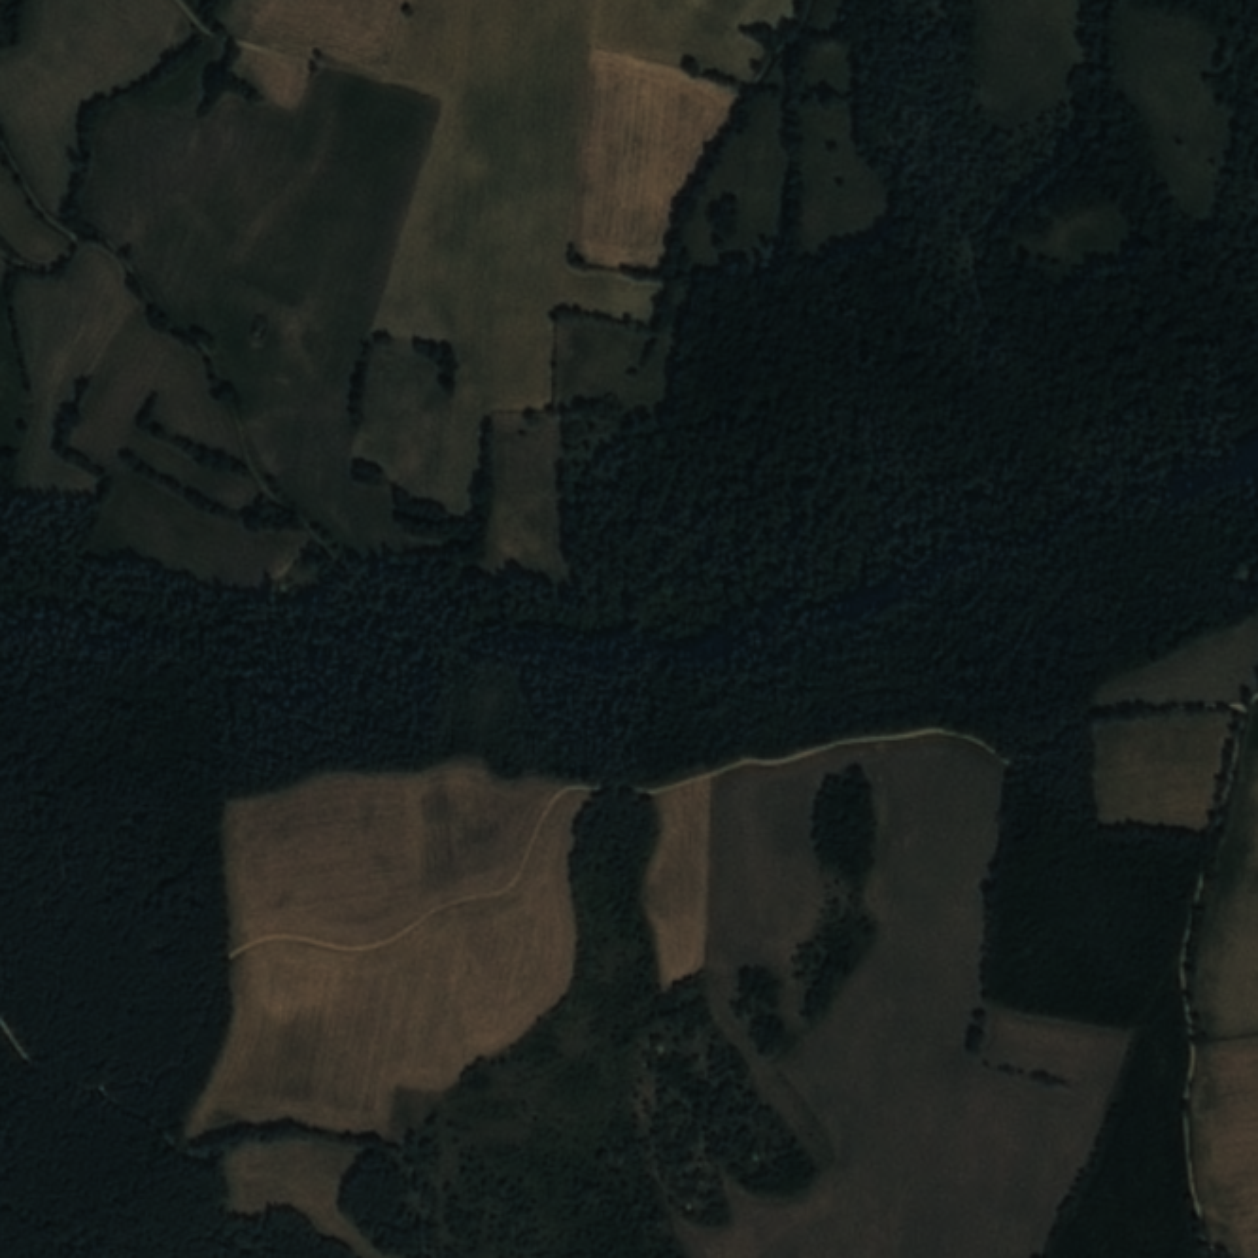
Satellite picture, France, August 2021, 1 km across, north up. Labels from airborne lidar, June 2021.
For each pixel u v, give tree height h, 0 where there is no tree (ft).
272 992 0
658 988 18
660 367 0
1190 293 47
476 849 0
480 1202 20
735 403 56
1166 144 0
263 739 48
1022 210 52
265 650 49
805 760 0
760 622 29
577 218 0
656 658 40
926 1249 0
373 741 42
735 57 0
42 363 0
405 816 0
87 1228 57
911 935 0
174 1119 45
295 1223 46
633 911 27
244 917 0
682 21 0
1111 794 0
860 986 0
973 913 0
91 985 49
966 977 0
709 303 57
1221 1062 0
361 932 0
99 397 0
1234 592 37
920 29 23
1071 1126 0
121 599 37
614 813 36
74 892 52
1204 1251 35
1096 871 27
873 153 42
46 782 59
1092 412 62
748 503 40
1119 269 53
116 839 58
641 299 0
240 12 0
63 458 33
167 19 0
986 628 52
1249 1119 0
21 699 50
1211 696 0
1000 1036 0
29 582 43
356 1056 0
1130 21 0
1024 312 45
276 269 0
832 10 0
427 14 0
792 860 0
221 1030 38
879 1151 0
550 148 0
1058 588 60
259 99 32
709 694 28
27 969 51
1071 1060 0
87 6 0
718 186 0
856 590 25
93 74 0
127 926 56
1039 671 67
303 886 0
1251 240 43
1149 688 0
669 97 0
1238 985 0
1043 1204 0
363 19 0
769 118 0
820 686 25
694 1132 23
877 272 50
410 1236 38
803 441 52
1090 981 25
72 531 60
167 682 45
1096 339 70
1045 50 0
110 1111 49
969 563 66
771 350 50
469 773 0
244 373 0
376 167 0
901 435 51
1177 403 43
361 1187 44
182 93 0
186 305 0
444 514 39
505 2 0
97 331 0
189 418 0
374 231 0
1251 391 76
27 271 23
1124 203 50
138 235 0
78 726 62
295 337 0
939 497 63
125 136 0
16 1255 60
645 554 38
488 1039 0
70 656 32
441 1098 0
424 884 0
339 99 0
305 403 0
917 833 0
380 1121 0
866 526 49
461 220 0
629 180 0
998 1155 0
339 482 0
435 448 0
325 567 46
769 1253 0
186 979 52
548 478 0
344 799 0
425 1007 0
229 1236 22
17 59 0
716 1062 27
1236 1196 0
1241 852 0
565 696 61
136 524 0
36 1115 54
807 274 55
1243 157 32
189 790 48
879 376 47
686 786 0
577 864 28
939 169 33
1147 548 36
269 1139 31
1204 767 0
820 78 0
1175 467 27
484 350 0
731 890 0
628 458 57
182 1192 48
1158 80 0
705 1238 0
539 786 0
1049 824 37
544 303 0
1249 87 25
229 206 0
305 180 0
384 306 0
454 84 0
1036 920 25
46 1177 48
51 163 0
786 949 0
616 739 50
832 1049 0
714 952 0
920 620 35
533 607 34
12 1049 43
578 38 0
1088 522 58
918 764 0
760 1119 26
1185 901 33
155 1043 50
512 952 0
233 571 0
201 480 0
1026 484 49
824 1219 0
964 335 59
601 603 29
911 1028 0
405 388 0
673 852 0
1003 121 0
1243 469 31
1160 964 33
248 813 0
